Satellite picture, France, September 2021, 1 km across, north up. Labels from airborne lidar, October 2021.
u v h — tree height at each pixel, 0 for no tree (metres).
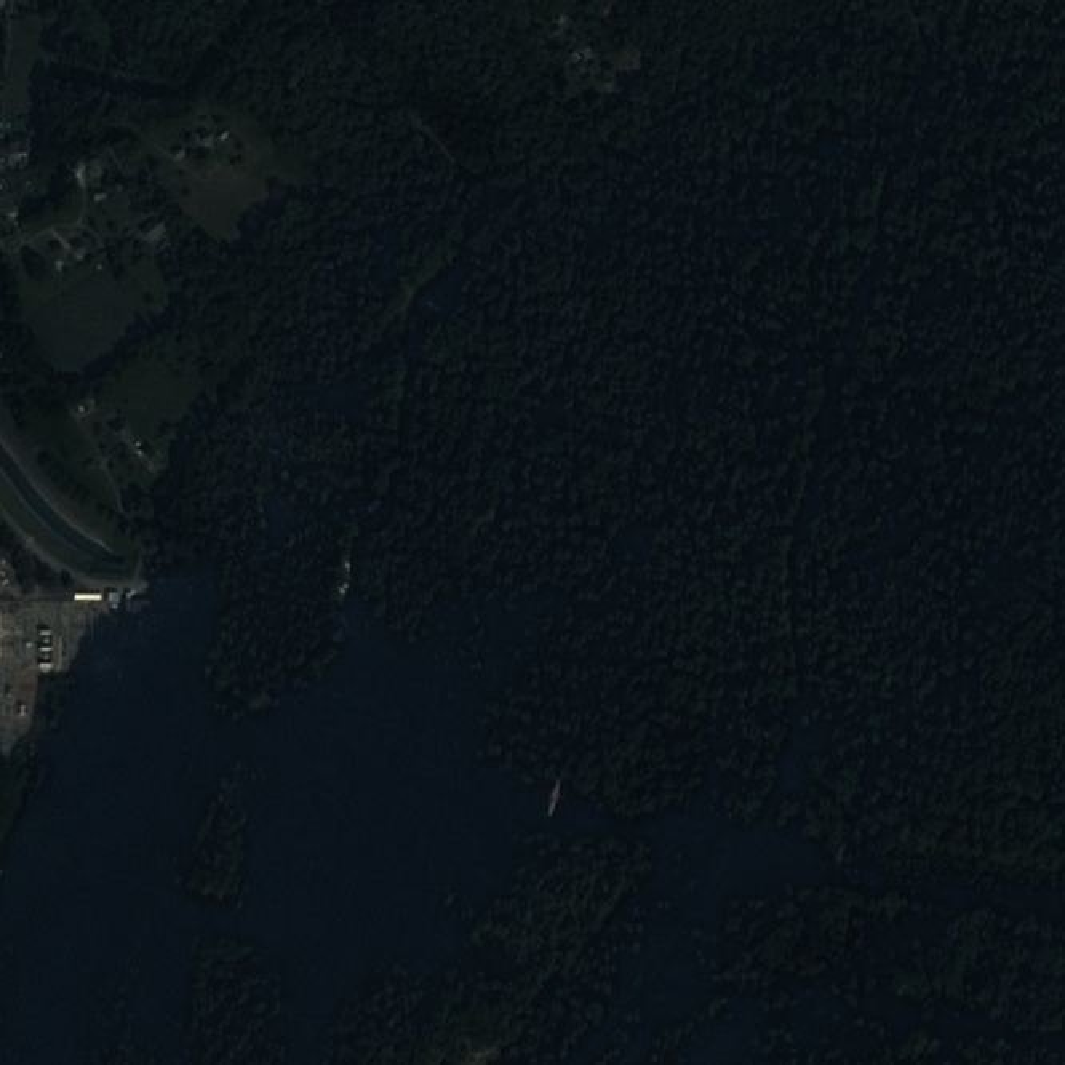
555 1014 35
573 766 32
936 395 33
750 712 17
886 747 20
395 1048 22
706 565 19
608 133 29
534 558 28
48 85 20
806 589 19
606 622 32
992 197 28
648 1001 24
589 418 28
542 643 22
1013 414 25
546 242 30
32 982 17
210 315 28
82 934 17
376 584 22
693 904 28
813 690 15
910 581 29
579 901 20
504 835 23
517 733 9
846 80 26
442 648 25
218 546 33
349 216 23
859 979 16
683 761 11
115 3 23
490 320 35
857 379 24
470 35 27
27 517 0
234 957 26
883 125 22
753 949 24
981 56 28
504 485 32
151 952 24
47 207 12
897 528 29
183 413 0
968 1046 8
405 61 28
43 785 15
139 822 27
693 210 25
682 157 32
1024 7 24
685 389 27
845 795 31
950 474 11
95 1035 27
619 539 24
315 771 33
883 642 28
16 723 0
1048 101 28
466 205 24
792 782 17
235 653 18
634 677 31
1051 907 7
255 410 19
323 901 28
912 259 25
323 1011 18
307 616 22
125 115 18
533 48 24
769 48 34
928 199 34
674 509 30
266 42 28
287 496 15
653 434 20
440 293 6
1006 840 30
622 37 16
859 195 26
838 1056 22
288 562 19
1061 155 25
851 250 30
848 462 32
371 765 8
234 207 0
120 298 0
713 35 28
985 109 27
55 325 0
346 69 21
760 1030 13
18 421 20
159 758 28
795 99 27
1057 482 29
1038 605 25
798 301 28
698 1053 16
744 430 28
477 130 29
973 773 31
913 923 16
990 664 30
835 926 31
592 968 24
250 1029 31
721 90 37
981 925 28
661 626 28
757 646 20
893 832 26
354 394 32
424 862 23
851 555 15
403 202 29
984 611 24
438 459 32
